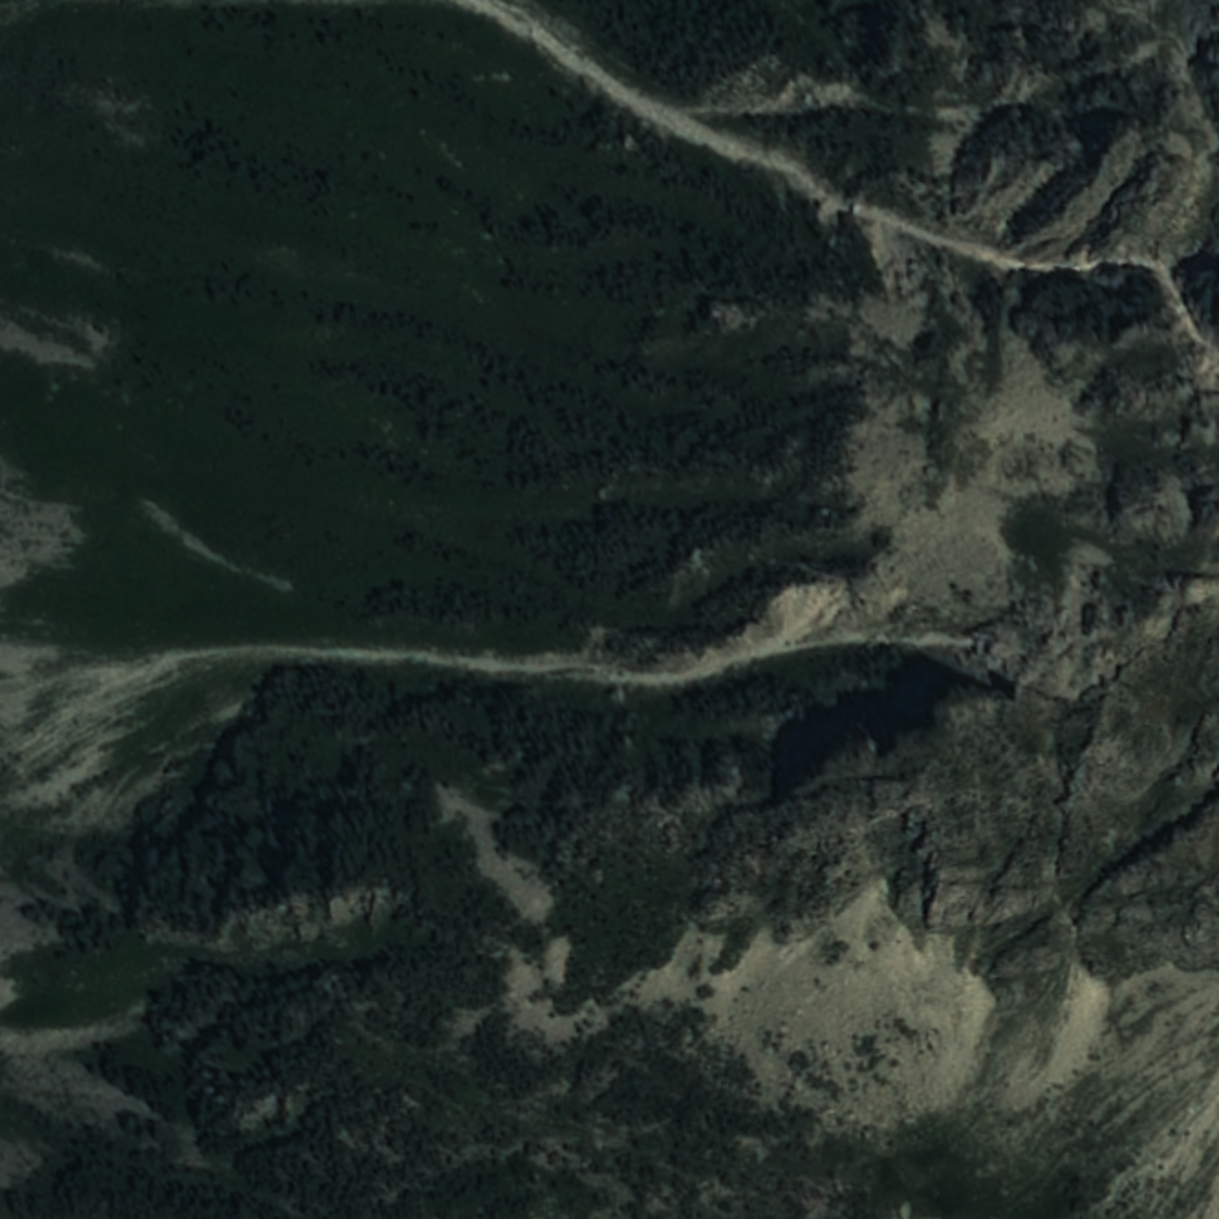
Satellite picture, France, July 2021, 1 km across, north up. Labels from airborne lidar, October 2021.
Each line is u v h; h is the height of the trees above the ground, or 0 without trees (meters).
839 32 12
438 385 6
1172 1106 0
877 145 7
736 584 6
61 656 0
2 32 0
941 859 6
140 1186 11
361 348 0
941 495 0
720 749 6
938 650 0
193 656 0
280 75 0
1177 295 0
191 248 0
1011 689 0
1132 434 0
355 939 0
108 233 0
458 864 9
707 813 0
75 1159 7
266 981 8
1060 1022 0
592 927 8
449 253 0
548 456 7
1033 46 0
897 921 0
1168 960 0
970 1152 0
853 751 9
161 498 0
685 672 0
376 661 0
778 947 0
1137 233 0
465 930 7
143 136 0
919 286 0
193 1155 0
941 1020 0
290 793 7
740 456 7
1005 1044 0
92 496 0
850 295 8
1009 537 0
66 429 0
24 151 0
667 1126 6
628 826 7
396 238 0
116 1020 0
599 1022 0
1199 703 7
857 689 0
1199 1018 0
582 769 7
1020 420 0
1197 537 0
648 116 0
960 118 0
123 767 0
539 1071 8
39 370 0
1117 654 0
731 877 8
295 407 0
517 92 0
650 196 0
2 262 0
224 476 0
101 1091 0
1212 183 0
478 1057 9
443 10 0
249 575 0
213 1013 14
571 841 10
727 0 8
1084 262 0
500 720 10
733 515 7
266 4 0
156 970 0
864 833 7
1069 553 0
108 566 0
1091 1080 0
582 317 0
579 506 0
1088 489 0
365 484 0
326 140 0
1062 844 10
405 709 12
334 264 0
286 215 0
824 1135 0
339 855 12
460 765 0
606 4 9
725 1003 0
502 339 0
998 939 0
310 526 0
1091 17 0
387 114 0
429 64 0
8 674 0
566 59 0
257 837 7
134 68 0
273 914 13
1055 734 0
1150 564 0
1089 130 0
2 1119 0
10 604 0
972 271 0
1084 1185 11
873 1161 0
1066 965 0
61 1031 0
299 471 0
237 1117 6
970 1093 0
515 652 0
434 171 0
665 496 0
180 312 0
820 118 6
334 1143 11
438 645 0
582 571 8
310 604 0
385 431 0
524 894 0
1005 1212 0
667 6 12
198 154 9
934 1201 0
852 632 0
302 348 0
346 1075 10
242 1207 10
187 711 0
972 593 7
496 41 0
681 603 0
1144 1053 0
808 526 6
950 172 0
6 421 0
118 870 0
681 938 0
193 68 0
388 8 0
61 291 0
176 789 0
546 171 0
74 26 0
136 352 0
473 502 0
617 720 0
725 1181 9
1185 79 0
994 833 0
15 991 0
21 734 0
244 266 0
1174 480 0
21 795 0
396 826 8
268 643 0
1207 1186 0
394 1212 8
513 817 12
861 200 0
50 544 0
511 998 0
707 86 10
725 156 0
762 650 0
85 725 0
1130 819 0
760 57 7
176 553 0
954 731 0
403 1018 10
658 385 6
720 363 0
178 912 6
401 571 0
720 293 6
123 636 0
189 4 0
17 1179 0
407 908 7
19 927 0
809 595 0
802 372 7
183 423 0
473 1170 10
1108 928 0
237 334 0
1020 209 0
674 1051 10
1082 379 0
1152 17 0
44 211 0
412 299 0
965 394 0
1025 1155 0
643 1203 8
